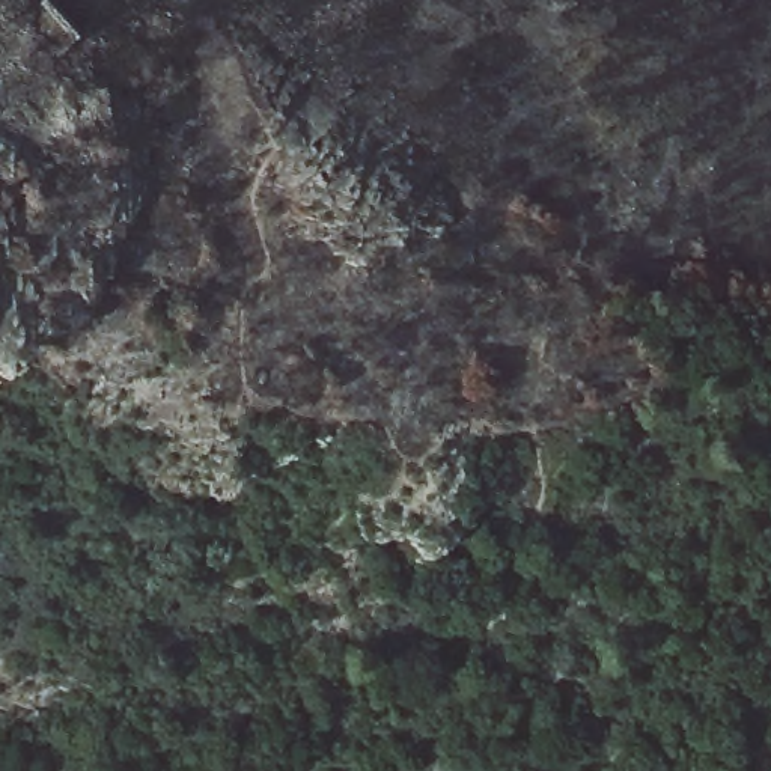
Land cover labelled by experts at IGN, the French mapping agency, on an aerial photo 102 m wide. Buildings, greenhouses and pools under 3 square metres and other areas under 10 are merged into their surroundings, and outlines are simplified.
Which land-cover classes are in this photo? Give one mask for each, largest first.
<instances>
[{"label":"bare soil","instance_id":"1","mask_svg":"<svg viewBox=\"0 0 771 771\"><path fill-rule=\"evenodd\" d=\"M696 253L705 256L708 286L714 280L729 283L732 274L741 271L744 283L771 286V0H0V382L21 376L27 370L24 361L33 352H42L45 364L57 367L60 376L72 386L81 379H93V401L87 407L99 428L133 425L142 431L181 434L184 449L190 452H208L211 446L232 449L235 440L223 434L220 419L241 422L253 410L280 407L292 416L352 425V431H361L364 437L386 440L392 461L398 464V476L392 479V488L386 494H358V503L386 509L389 503H398L410 515H437V521L449 524L455 521V497L467 482V458L461 455V449H449V455H443V443L455 434L533 437L539 434L536 422H569V416L578 413L584 398L590 395H596V401H605L608 410L620 419L632 416L638 407H657L654 392L660 389V382L651 376L648 367H641L632 337H611V325L599 322L602 304L611 301L617 286H629L641 298L654 292L660 295L666 289L669 271L675 265L690 262V256ZM148 307L154 313L172 310L175 322L187 328V343L193 352H199L193 367L169 364L166 376H139L136 361L154 364V358L160 355V337L157 328L148 322ZM244 482L229 476L226 470H217L208 485V497L235 500ZM395 542L410 545L416 551V563H431L449 554L446 545H440L437 539L392 530Z\"/></svg>","mask_w":771,"mask_h":771},{"label":"deciduous trees","instance_id":"2","mask_svg":"<svg viewBox=\"0 0 771 771\"><path fill-rule=\"evenodd\" d=\"M599 322L611 325V337H632L641 367H648L651 376L660 382V389L654 392L657 407H638L632 416L620 419L608 410L605 401H596V395H590L584 398L578 413L569 416V422H536L539 434L533 437L455 434L443 443V455H449V449H461V455L467 458V482L455 497V521L449 524L437 521V515H410L398 503H389L386 509L358 503V494H386L392 488V479L398 476V464L392 461L386 440L364 437L361 431H352V425L292 416L280 407L253 410L241 422L220 419L223 434L235 440L232 449L211 446L208 452H190L184 449L181 434L142 431L133 425L99 428L87 407L93 401V379H81L72 386L60 376L57 367L45 364L42 352H33L24 361L27 370L21 376L0 382V771H771V286L744 283L741 271L732 274L729 283L714 280L708 286L705 256L696 253L690 256V262L675 265L669 271L666 289L660 295L654 292L641 298L629 286H617L611 301L602 304ZM217 470H226L229 476L244 482L235 500L208 497V485ZM392 530L437 539L440 545H446L449 554L431 563H416V551L410 545L395 542ZM148 322L157 328L160 337V355L154 358V364L136 361L139 376H166L169 364L193 367L199 352H193L187 343V328L175 322L172 310L154 313L148 307Z\"/></svg>","mask_w":771,"mask_h":771}]
</instances>
